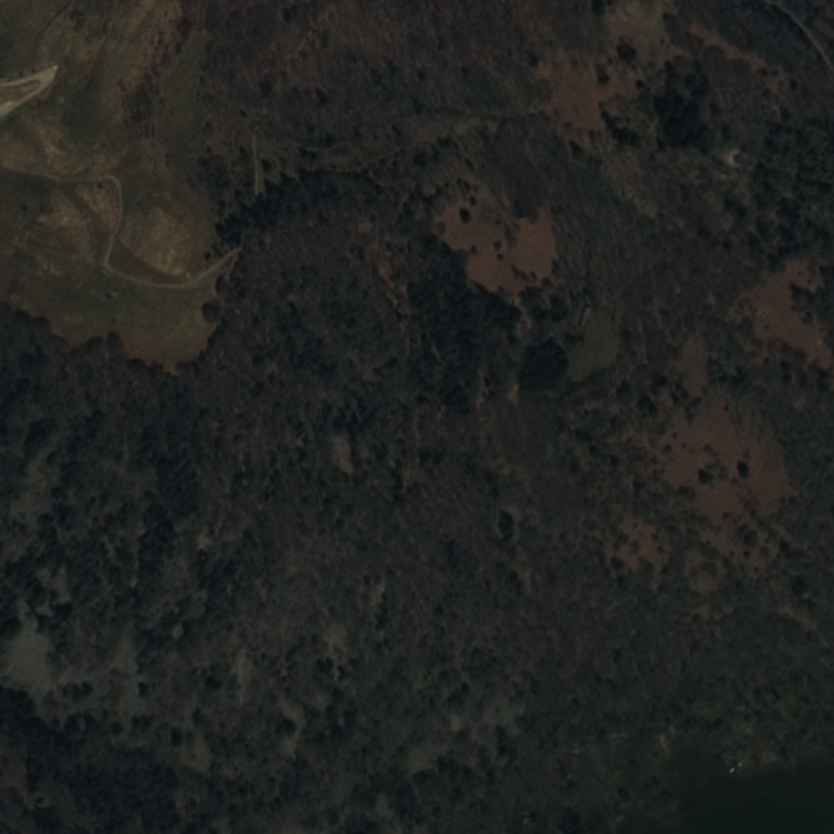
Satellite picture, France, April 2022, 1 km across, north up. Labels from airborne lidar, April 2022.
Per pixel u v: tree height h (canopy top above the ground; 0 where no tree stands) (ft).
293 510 103
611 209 68
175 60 0
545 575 71
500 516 108
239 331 91
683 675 35
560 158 85
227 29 49
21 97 0
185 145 0
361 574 95
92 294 0
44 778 111
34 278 0
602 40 56
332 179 51
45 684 0
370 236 44
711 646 78
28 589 100
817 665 85
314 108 50
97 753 98
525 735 77
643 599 41
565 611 58
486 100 88
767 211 25
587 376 0
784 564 54
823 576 46
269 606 60
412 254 41
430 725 104
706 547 55
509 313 86
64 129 0
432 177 28
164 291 0
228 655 67
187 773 69
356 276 80
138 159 0
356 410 90
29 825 73
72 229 0
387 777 83
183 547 55
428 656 93
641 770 94
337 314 87
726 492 0
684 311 53
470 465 93
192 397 65
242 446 45
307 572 68
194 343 0
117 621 72
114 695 21
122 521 86
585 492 62
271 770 86
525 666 83
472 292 79
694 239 31
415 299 76
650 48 0
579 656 99
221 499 72
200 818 18
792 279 0
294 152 0
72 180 0
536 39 57
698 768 0
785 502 25
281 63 33
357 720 101
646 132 63
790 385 48
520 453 73
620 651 110
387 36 31
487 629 81
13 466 119
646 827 0
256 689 57
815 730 75
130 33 0
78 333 0
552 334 53
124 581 70
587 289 49
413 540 94
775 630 86
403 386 76
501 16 71
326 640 94
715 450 40
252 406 97
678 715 89
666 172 42
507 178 67
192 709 0
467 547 96
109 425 70
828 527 30
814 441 58
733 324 19
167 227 0
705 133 60
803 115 36
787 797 0
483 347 96
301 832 0
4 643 22
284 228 68
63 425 95
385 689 78
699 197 40
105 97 0
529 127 71
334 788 79
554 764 73
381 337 86
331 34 44
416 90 73
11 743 77
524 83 61
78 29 0
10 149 0
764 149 26
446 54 67
